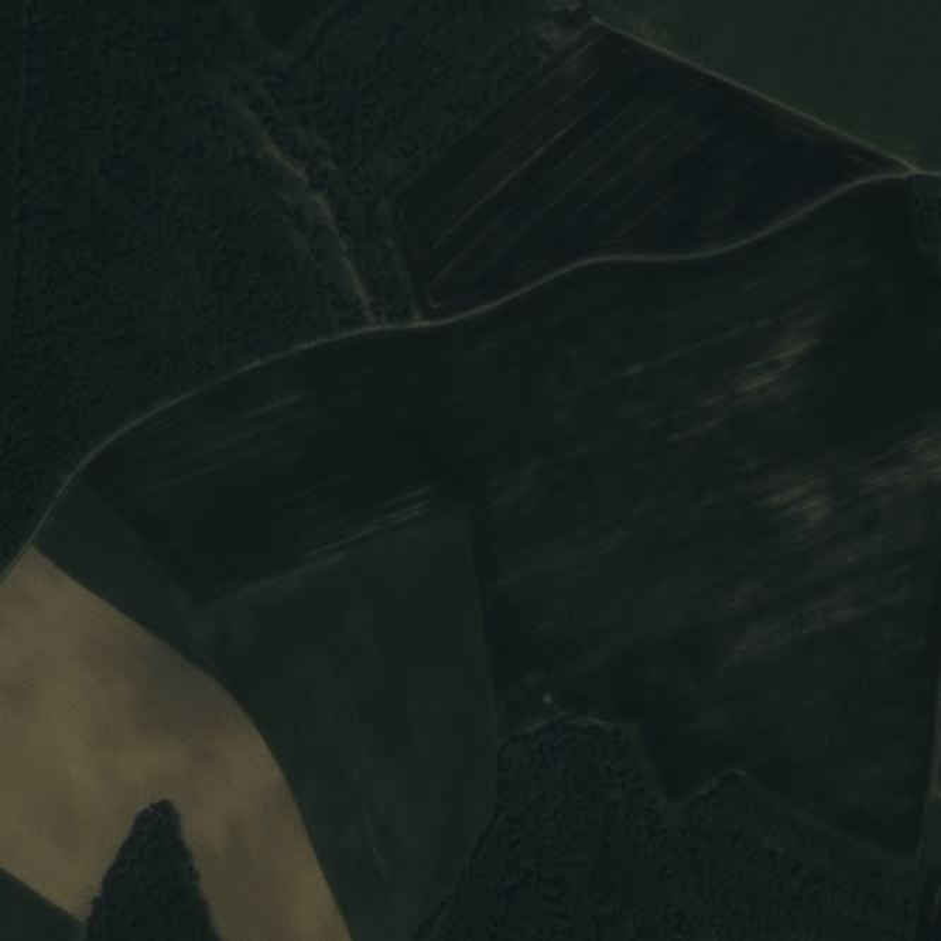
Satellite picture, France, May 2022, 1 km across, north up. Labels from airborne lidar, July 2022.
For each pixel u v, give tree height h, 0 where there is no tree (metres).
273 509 0
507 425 0
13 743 0
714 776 0
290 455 0
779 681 0
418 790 0
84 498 0
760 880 19
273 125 28
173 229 30
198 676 0
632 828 25
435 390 0
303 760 0
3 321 21
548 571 0
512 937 30
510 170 0
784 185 0
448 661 0
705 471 0
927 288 0
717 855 15
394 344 0
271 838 0
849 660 0
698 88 0
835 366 0
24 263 22
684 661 0
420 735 0
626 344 0
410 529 0
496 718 0
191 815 0
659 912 27
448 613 0
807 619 0
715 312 0
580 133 0
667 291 0
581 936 25
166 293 27
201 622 0
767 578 0
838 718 0
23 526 20
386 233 13
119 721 0
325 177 16
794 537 0
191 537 0
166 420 0
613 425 0
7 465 23
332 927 0
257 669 0
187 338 24
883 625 0
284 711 0
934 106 0
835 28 0
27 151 27
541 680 0
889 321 0
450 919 12
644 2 0
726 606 0
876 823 0
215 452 0
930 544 0
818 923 25
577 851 31
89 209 29
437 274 0
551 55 22
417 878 0
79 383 21
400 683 0
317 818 0
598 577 0
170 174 35
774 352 0
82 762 0
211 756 0
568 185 0
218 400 0
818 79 0
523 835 23
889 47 0
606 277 0
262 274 25
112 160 22
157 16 30
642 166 0
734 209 0
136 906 28
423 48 26
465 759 0
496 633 0
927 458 0
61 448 23
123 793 0
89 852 0
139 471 0
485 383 0
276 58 0
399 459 0
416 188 0
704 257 0
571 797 33
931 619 0
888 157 0
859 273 0
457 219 0
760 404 0
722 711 0
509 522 0
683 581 0
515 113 0
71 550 0
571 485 0
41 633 0
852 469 0
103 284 25
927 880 0
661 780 0
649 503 0
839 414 0
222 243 19
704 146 0
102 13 34
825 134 0
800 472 0
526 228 0
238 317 26
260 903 0
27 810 0
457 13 27
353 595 0
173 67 31
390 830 0
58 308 20
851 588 0
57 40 31
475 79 22
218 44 28
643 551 0
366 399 0
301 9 0
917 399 0
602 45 0
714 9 0
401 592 0
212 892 0
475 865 10
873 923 19
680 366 0
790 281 0
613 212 0
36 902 0
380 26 22
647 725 0
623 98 0
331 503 0
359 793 0
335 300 26
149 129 28
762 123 0
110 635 0
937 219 15
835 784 0
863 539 0
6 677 0
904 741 0
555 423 0
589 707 0
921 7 0
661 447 0
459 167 0
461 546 0
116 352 18
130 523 0
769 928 13
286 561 0
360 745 0
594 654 0
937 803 0
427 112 28
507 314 0
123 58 28
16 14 23
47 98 21
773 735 0
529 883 30
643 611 0
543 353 0
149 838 24
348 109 23
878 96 0
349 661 0
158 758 0
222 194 30
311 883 0
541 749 13
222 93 6
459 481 0
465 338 0
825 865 13
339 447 0
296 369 0
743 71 0
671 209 0
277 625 0
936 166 0
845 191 0
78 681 0
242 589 0
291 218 29
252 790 0
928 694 0
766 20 0
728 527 0
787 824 8
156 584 0
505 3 21
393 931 0
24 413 23
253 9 0
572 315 0
